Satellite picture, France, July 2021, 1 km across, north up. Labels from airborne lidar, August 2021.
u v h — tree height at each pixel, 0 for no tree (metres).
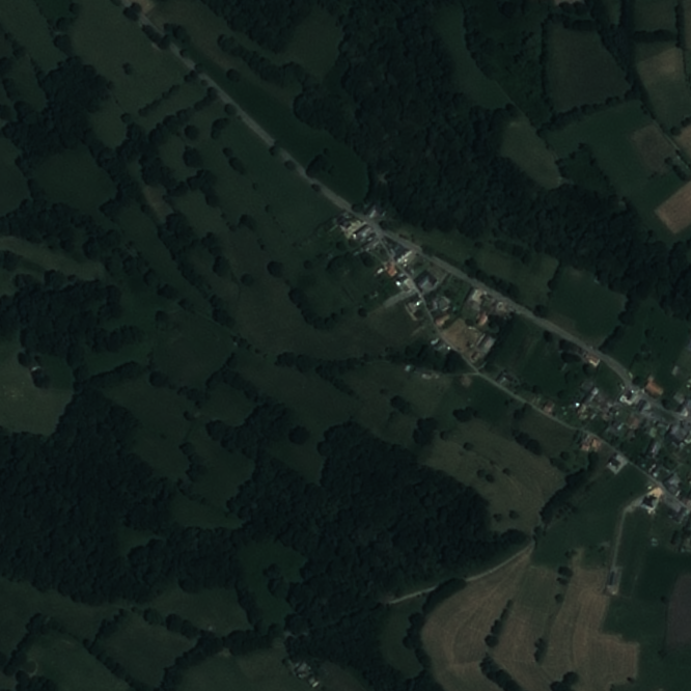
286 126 0
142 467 24
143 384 0
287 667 8
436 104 27
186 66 0
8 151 0
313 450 0
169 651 0
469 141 28
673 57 0
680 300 28
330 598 28
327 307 0
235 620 0
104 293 17
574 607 0
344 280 0
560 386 0
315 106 25
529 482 0
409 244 0
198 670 0
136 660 0
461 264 9
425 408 0
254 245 0
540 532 14
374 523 34
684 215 0
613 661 0
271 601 0
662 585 0
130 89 0
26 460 36
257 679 0
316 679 10
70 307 25
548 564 0
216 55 0
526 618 0
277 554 0
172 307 0
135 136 21
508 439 0
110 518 36
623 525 0
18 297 15
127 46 0
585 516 0
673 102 0
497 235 15
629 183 0
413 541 33
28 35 0
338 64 7
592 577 0
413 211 33
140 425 13
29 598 0
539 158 0
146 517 35
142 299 0
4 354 0
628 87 0
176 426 0
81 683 0
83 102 24
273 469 23
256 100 0
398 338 0
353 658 17
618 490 0
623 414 0
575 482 21
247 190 0
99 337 21
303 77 18
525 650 0
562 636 0
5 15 0
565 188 11
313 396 0
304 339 0
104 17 0
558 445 0
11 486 30
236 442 23
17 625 0
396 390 0
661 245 17
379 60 22
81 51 0
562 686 18
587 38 0
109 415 20
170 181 18
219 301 18
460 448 0
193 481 12
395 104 16
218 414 0
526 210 21
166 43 16
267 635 16
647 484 0
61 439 23
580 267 19
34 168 25
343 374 11
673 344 0
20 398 0
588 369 20
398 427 0
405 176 24
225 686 0
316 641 20
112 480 35
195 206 0
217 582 26
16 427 0
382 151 25
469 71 0
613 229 37
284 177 0
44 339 16
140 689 17
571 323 0
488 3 0
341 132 21
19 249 0
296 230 0
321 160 16
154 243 0
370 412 0
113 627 23
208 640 22
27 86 0
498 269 0
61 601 0
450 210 17
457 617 0
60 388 0
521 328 0
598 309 0
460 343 0
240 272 0
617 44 19
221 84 0
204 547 24
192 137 15
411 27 30
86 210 0
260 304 0
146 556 27
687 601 0
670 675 0
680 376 0
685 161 14
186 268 21
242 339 10
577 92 0
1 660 25
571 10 20
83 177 0
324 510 28
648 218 0
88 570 10
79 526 23
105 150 19
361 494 24
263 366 0
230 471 0
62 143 26
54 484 31
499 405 0
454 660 0
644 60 0
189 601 0
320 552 29
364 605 19
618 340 18
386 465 31
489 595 0
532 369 0
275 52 16
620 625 0
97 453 33
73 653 0
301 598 32
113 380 21
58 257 0
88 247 19
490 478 11
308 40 0
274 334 0
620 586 0
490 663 9
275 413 29
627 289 24
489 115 21
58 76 21
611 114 0
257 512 25
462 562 25
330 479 23
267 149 0
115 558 28
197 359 0
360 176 0
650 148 0
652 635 0
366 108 26
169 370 0
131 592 23
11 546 27
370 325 0
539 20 0
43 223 27
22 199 0
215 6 20
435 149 21
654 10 0
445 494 27
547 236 21
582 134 0
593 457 17
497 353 12
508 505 0
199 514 0
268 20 17
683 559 0
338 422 0
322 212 0
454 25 0
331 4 22
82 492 31
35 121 25
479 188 26
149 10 0
